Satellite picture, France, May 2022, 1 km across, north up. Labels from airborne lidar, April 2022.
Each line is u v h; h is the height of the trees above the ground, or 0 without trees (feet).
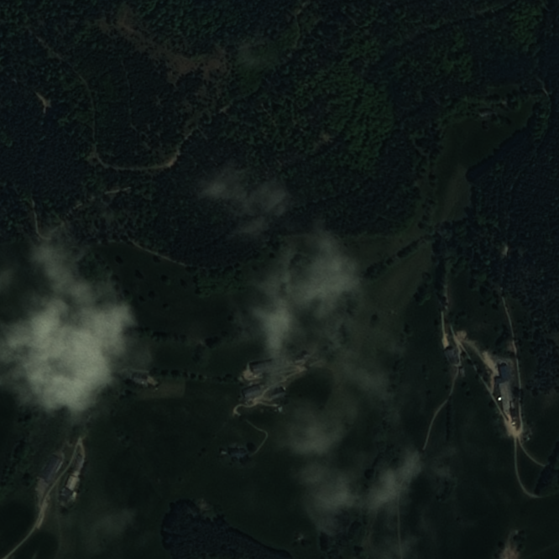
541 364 26
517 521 0
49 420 0
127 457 0
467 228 39
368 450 0
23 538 0
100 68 31
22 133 83
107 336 73
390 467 32
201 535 101
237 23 81
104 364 0
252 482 0
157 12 73
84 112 29
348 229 82
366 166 50
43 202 21
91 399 0
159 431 0
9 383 0
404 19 62
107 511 0
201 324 0
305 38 21
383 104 93
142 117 38
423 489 0
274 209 88
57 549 0
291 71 67
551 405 0
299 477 0
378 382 0
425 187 0
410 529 0
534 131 86
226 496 0
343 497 0
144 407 0
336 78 67
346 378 0
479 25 67
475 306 0
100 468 0
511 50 69
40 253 0
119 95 29
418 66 76
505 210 77
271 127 77
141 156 24
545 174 70
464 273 0
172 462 0
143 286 0
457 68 70
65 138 88
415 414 0
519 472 0
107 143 27
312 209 83
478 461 0
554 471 72
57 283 0
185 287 49
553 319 38
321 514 0
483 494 0
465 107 62
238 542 110
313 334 0
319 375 0
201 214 70
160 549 0
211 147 73
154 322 0
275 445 0
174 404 0
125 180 39
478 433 0
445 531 0
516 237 69
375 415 0
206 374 0
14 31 82
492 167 84
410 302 0
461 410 0
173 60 0
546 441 0
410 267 0
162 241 46
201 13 75
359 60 71
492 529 0
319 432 0
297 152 78
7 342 0
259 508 0
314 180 72
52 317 0
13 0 77
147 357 0
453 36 78
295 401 0
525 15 82
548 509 0
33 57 80
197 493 0
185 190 61
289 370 0
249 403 0
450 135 0
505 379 0
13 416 0
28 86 75
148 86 29
